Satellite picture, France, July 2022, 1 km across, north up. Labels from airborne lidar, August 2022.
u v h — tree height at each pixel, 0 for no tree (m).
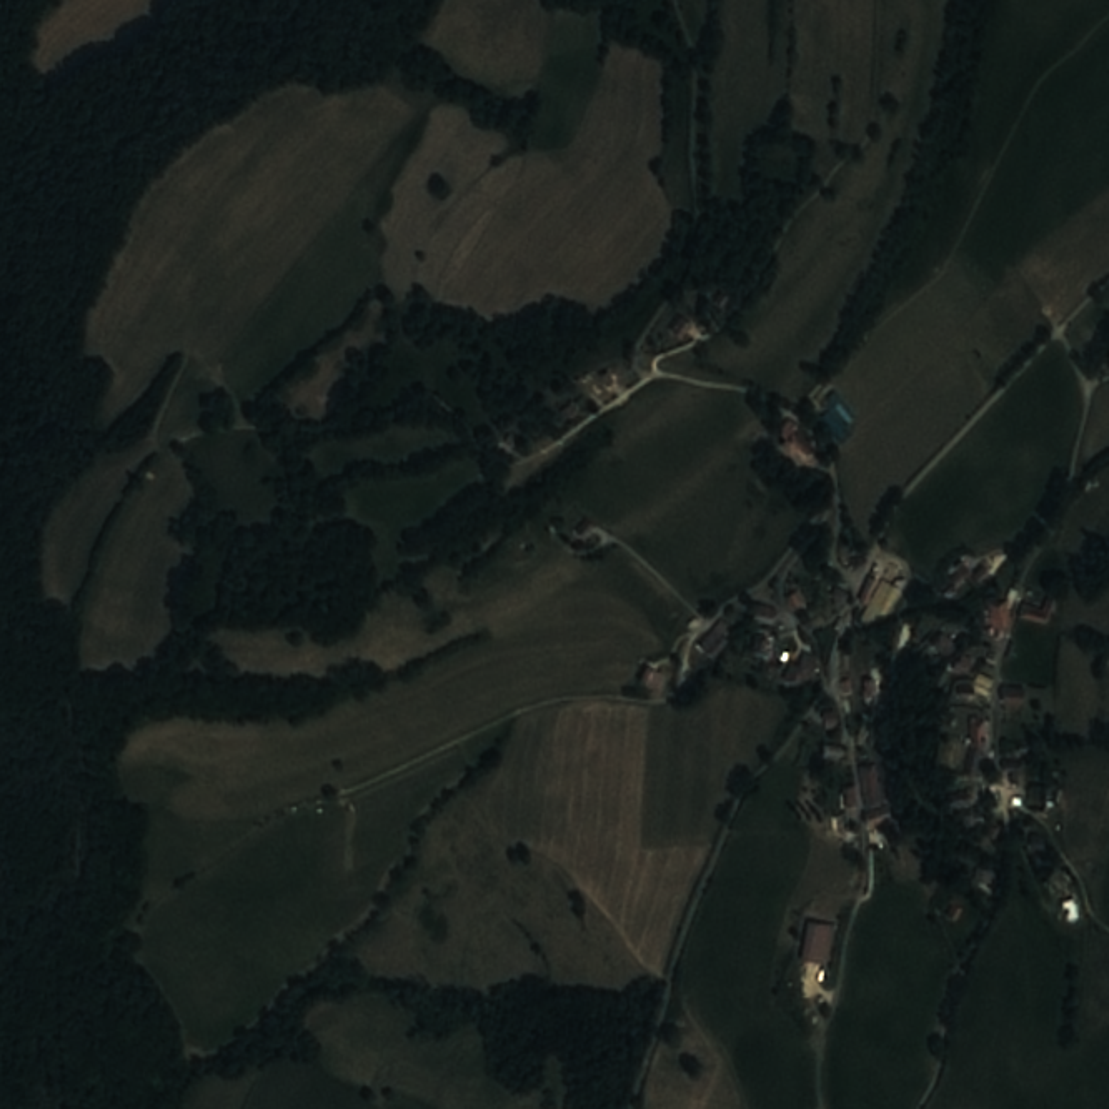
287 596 11
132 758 0
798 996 0
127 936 13
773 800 0
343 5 22
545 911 0
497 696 0
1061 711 0
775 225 11
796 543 14
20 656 14
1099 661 12
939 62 7
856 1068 0
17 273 20
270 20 26
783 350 0
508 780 0
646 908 0
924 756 7
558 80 0
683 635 0
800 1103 0
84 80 22
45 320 17
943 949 0
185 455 7
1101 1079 0
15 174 21
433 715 0
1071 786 0
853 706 0
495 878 0
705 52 18
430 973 0
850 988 0
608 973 0
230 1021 0
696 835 0
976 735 0
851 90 0
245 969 0
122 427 9
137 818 17
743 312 13
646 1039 15
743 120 0
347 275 0
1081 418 0
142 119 14
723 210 18
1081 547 0
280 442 10
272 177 0
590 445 7
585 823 0
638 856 0
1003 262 0
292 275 0
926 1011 0
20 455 29
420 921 0
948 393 0
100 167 17
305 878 0
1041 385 0
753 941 0
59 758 7
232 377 0
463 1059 0
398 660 0
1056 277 0
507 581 0
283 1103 0
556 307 7
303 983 12
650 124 0
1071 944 0
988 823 10
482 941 0
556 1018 23
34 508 24
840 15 0
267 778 0
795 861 0
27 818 15
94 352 0
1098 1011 0
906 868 0
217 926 0
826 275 0
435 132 0
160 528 0
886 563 0
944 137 18
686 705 16
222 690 18
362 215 0
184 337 0
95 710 17
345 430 15
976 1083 0
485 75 0
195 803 0
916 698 9
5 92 19
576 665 0
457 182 0
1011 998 0
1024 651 0
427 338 9
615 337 0
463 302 0
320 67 18
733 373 0
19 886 14
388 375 12
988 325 0
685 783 0
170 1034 20
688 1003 0
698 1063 12
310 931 0
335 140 0
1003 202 0
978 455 0
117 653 0
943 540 0
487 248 0
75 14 0
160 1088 20
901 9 0
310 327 0
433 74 13
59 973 18
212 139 0
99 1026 14
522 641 0
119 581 0
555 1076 0
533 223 0
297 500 12
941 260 0
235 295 0
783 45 0
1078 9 0
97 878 15
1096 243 0
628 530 0
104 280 9
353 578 19
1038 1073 0
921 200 14
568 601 0
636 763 0
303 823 0
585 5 15
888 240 15
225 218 0
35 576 17
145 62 23
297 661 0
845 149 14
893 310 0
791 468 14
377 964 0
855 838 0
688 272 7
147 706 16
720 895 0
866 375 0
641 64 0
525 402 13
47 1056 14
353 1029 0
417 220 0
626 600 0
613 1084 12
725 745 0
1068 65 0
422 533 13
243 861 0
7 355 15
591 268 0
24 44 16
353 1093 0
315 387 0
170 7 24
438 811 11
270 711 23
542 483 13
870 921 0
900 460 0
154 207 0
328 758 0
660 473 0
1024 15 0
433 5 16
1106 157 0
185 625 11
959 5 20
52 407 20
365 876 0
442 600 0
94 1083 7
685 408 0
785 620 0
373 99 0
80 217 18
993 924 9
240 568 6
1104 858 0
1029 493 0
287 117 0
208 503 8
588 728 0
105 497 0
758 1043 0
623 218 0
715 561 0
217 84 28
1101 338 14
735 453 0
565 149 0
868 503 0
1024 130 0
